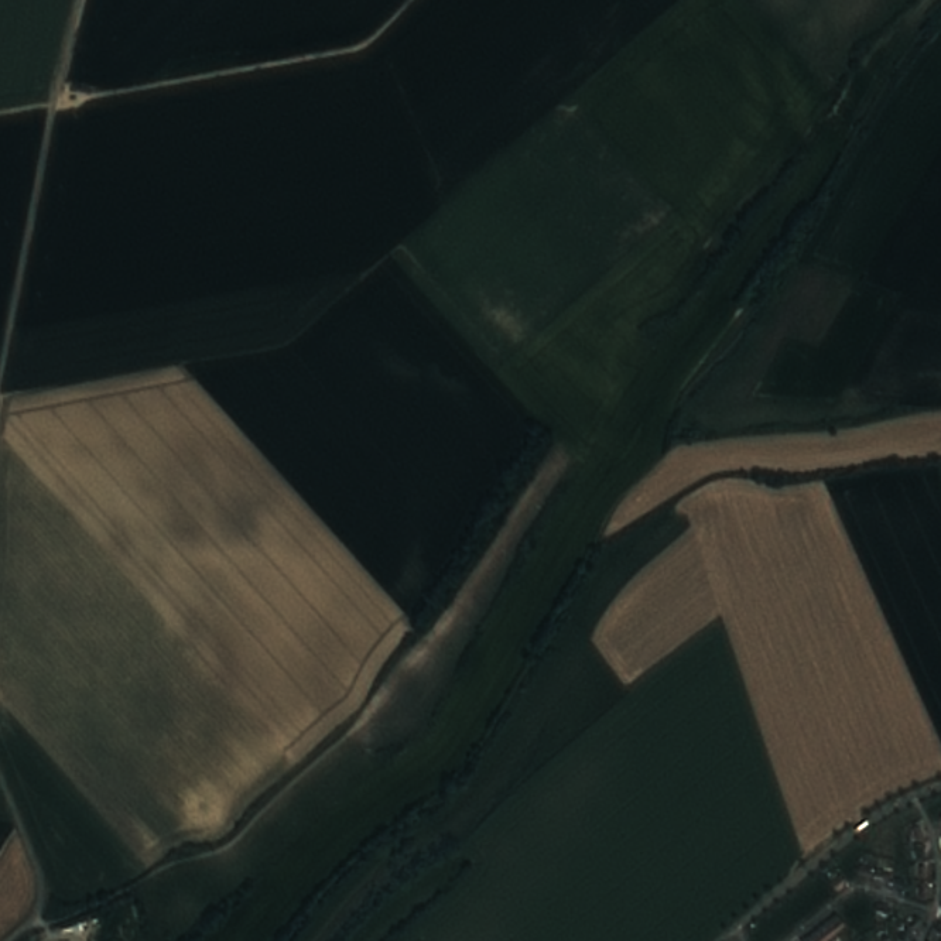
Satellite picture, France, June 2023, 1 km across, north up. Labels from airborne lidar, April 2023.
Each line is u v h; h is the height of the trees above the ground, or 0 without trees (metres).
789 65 0
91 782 0
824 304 0
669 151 0
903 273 0
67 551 0
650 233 0
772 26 0
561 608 10
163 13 0
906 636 0
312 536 0
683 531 0
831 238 0
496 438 0
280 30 0
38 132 0
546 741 0
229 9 0
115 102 0
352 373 0
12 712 0
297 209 0
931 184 0
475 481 0
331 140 0
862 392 0
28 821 0
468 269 0
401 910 0
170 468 0
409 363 0
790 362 0
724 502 0
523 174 0
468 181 0
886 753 0
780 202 0
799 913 0
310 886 0
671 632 0
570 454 0
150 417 0
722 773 0
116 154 0
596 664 0
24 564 0
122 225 0
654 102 0
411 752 0
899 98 0
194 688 0
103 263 0
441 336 0
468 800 0
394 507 0
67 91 0
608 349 0
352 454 0
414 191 0
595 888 0
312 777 0
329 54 0
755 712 0
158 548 0
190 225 0
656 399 0
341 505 0
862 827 0
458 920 0
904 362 0
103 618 0
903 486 0
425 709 0
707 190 0
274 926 0
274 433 0
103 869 0
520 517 0
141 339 0
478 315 0
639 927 0
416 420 0
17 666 0
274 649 0
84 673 0
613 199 0
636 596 0
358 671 0
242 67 0
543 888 0
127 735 0
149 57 0
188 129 0
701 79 0
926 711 0
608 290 0
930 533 0
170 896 0
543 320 0
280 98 0
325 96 0
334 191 0
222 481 0
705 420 0
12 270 0
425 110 0
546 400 0
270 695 0
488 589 0
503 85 0
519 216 0
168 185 0
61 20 0
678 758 0
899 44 0
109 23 0
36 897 0
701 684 0
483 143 0
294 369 0
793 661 0
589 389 0
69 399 0
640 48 0
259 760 0
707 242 0
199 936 14
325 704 0
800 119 0
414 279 0
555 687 0
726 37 0
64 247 0
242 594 0
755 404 0
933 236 0
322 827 0
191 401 0
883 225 0
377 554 0
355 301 0
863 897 0
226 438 0
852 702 0
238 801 0
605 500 0
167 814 0
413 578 0
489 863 0
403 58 0
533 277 0
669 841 0
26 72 0
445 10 0
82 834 0
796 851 0
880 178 0
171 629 0
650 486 0
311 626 0
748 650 0
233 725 0
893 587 0
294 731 0
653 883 0
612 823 0
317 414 0
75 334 0
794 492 0
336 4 0
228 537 0
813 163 0
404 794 0
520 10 0
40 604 0
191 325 0
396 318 0
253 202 0
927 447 0
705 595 0
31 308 0
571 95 0
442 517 0
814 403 0
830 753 0
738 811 0
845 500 0
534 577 0
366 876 0
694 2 0
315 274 0
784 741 0
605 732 0
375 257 0
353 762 0
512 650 0
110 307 0
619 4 0
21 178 0
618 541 0
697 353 0
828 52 0
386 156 0
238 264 0
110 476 0
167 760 0
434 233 0
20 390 0
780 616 0
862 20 0
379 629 0
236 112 0
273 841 0
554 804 0
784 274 8
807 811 0
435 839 0
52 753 0
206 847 7
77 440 0
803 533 0
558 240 0
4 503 0
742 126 0
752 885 0
